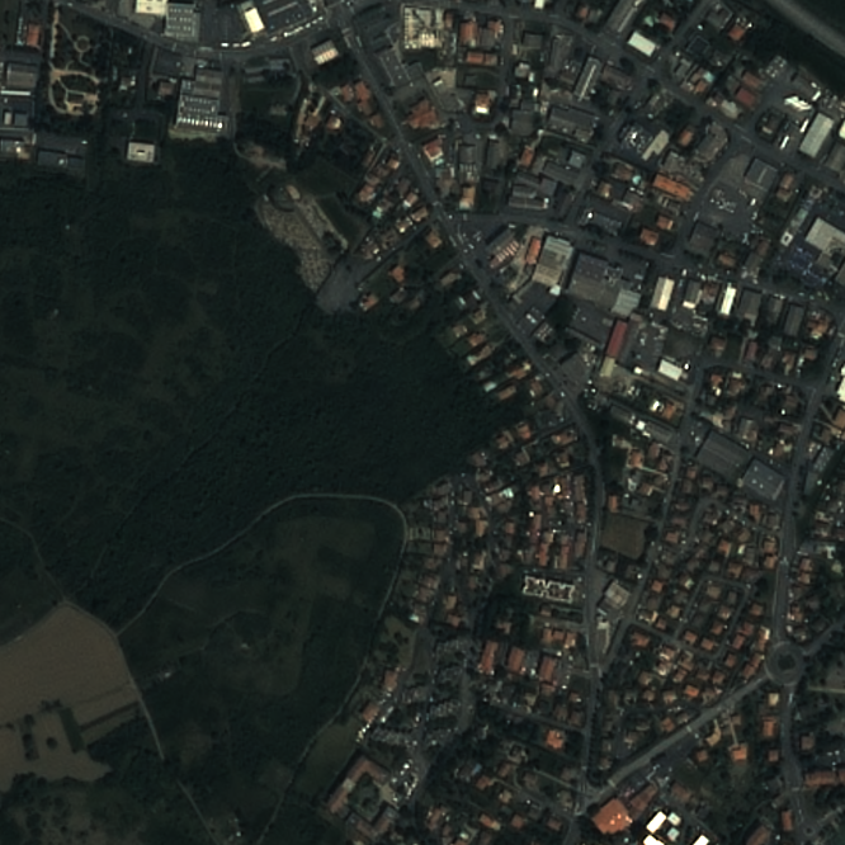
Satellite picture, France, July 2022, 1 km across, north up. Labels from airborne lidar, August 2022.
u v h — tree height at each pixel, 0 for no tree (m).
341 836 0
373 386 7
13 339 0
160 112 9
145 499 8
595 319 0
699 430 0
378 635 8
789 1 0
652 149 0
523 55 0
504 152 0
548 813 7
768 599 0
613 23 0
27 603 0
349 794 6
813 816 0
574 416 0
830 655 7
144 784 8
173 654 0
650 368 0
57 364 0
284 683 0
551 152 0
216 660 0
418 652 0
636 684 6
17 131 0
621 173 0
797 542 0
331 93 0
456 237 0
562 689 0
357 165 7
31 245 9
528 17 0
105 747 8
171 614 0
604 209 0
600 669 0
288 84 11
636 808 0
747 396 8
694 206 0
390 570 7
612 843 8
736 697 0
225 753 7
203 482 10
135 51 9
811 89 0
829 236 0
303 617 0
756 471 0
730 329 9
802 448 0
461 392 11
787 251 0
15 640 0
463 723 0
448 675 0
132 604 8
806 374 8
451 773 6
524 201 0
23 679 0
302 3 0
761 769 8
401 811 11
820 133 0
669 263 0
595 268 0
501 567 0
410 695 0
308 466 7
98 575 6
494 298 0
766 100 0
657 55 0
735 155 0
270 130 14
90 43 6
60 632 0
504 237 0
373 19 0
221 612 0
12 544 6
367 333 6
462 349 0
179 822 5
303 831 8
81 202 6
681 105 8
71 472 8
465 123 0
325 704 9
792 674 0
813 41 10
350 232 0
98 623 0
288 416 7
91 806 0
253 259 7
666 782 0
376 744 6
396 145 0
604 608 0
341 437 6
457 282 9
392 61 0
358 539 0
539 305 0
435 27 0
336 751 0
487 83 0
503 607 9
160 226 0
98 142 6
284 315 6
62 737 0
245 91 0
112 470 6
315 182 0
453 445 8
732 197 0
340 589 0
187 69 0
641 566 9
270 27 0
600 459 6
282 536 0
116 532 6
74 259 6
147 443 6
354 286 7
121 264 8
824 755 9
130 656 0
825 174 0
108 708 0
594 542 0
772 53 10
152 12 0
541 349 11
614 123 0
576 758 13
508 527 0
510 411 7
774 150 0
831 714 13
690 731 0
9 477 0
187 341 0
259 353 6
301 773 10
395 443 8
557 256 0
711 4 0
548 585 0
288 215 0
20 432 0
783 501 0
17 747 0
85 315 0
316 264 0
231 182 5
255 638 0
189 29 0
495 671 11
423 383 8
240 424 8
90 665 0
